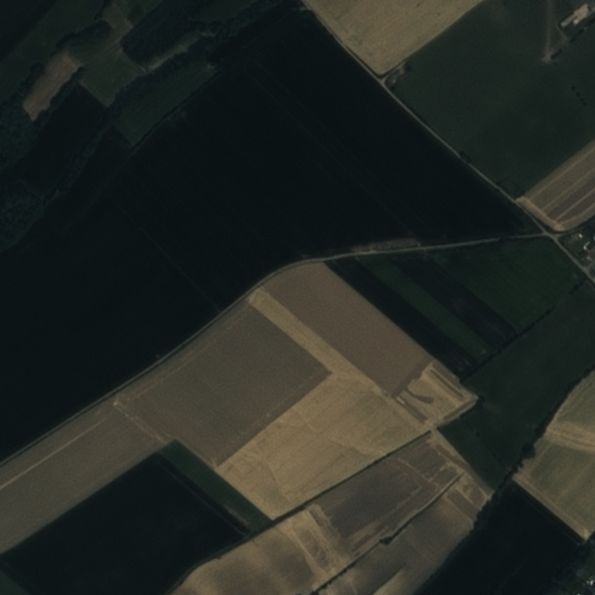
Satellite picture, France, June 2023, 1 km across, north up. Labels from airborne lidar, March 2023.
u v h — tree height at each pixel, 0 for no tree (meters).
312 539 0
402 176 0
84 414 0
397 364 0
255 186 0
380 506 0
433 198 0
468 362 0
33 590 0
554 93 0
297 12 0
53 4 0
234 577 0
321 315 0
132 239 0
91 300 0
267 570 0
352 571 0
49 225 0
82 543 0
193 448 0
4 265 0
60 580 0
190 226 0
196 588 0
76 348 0
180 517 0
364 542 0
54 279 0
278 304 0
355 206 0
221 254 0
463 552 0
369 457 0
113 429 0
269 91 0
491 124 0
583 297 0
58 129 0
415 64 0
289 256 0
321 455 0
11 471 0
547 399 0
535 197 0
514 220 0
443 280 0
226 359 0
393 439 0
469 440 0
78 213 0
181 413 0
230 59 0
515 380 0
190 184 0
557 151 0
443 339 0
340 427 0
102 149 0
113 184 0
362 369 0
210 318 0
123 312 0
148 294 0
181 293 0
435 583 0
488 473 0
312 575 0
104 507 0
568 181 0
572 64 0
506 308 0
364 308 0
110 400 0
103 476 0
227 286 0
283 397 0
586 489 0
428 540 0
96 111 0
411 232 0
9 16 0
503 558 0
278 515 0
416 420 0
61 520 0
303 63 0
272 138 0
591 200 0
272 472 0
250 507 0
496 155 0
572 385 6
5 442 0
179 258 0
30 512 0
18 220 23
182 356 0
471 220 0
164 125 0
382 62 0
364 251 0
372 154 0
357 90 0
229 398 0
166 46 16
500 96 0
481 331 0
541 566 0
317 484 0
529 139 0
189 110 0
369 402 0
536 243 0
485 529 0
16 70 0
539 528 0
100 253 0
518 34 0
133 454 0
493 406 0
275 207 0
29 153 0
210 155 0
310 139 0
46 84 0
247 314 0
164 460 0
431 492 0
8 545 0
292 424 0
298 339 0
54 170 0
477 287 0
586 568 0
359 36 0
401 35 0
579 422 0
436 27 0
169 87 0
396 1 0
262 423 0
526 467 0
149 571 0
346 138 0
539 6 0
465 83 0
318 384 0
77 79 9
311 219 0
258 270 0
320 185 0
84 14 0
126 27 0
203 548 0
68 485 0
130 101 14
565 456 0
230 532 0
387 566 0
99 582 0
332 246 0
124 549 0
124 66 0
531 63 0
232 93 0
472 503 0
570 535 0
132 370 0
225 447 0
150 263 0
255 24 0
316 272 0
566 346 0
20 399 0
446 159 0
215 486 0
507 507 0
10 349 0
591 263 0
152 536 0
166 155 0
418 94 0
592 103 0
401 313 0
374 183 0
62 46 14
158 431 0
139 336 0
